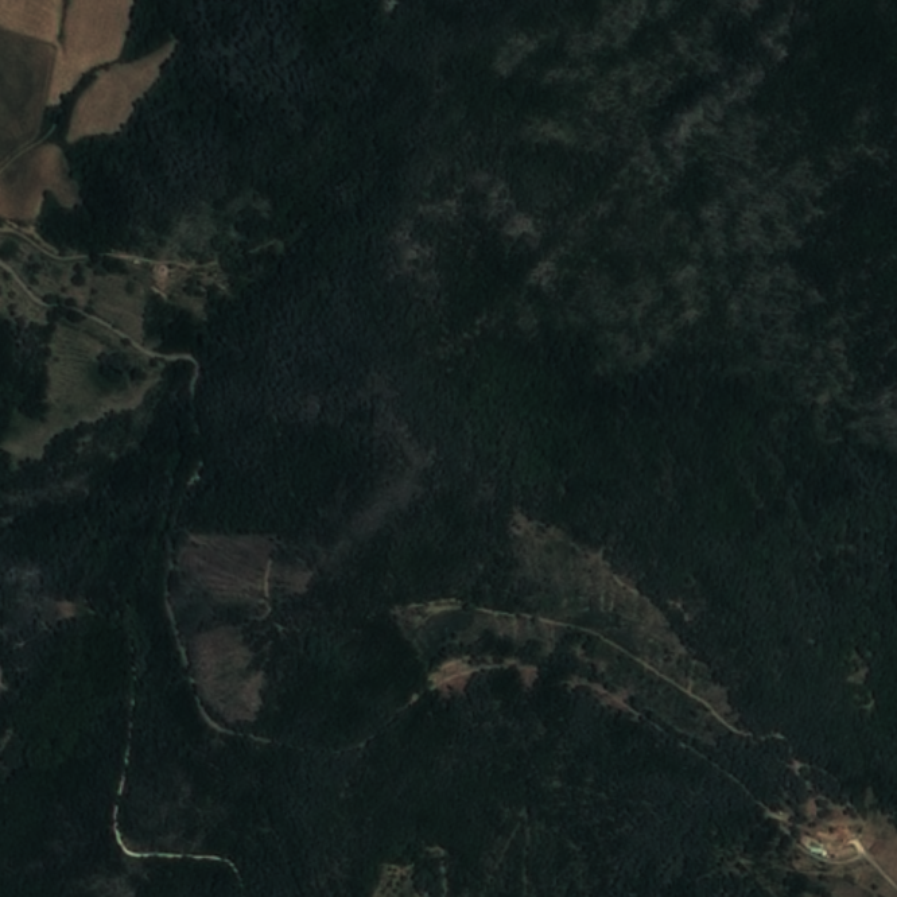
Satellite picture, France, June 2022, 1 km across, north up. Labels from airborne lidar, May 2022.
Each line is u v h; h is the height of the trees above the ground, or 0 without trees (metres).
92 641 7
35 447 0
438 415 13
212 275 8
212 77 16
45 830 10
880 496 12
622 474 13
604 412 16
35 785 9
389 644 13
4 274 6
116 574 10
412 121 13
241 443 14
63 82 0
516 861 10
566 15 9
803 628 15
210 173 8
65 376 0
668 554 10
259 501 14
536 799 12
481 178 0
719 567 12
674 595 10
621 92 6
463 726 12
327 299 10
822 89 8
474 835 8
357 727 13
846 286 6
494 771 13
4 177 0
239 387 10
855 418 8
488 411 12
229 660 0
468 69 12
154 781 6
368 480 7
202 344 24
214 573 0
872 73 10
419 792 12
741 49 8
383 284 12
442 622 0
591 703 18
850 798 7
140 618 10
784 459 10
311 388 12
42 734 12
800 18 14
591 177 8
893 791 11
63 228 9
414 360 14
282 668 10
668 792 15
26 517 9
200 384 6
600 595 0
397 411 8
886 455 14
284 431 11
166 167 15
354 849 7
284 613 14
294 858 9
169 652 7
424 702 15
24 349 9
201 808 6
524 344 12
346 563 6
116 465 8
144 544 11
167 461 16
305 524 9
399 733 16
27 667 12
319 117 14
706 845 11
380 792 11
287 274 17
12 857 7
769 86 9
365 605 7
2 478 9
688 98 10
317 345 10
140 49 6
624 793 9
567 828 8
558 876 12
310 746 15
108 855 7
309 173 12
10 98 0
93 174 11
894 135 7
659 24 10
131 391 0
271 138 18
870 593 13
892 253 13
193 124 7
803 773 11
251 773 15
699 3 9
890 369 8
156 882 9
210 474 11
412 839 17
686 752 12
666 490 9
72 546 17
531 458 12
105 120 0
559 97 6
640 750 10
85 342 0
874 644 14
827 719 15
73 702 14
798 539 9
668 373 18
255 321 13
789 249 6
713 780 15
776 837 11
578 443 14
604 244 9
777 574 16
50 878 6
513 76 9
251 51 20
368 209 13
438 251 8
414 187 11
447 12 20
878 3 7
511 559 8
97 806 6
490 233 11
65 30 0
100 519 11
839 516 15
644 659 0
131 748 7
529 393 16
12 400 12
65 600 7
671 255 6
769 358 7
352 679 12
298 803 16
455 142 7
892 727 16
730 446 13
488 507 9
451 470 12
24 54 0
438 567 14
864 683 10
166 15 11
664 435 15
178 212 13
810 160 7
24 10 0
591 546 6
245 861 11
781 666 11
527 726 15
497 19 17
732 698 12
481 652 9
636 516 11
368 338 17
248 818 12
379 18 15
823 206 8
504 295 13
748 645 12
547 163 14
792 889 10
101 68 6
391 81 17
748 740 12
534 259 9
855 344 8
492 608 7
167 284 0
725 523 12
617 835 8
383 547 8
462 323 11
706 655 13
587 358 17
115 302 0
